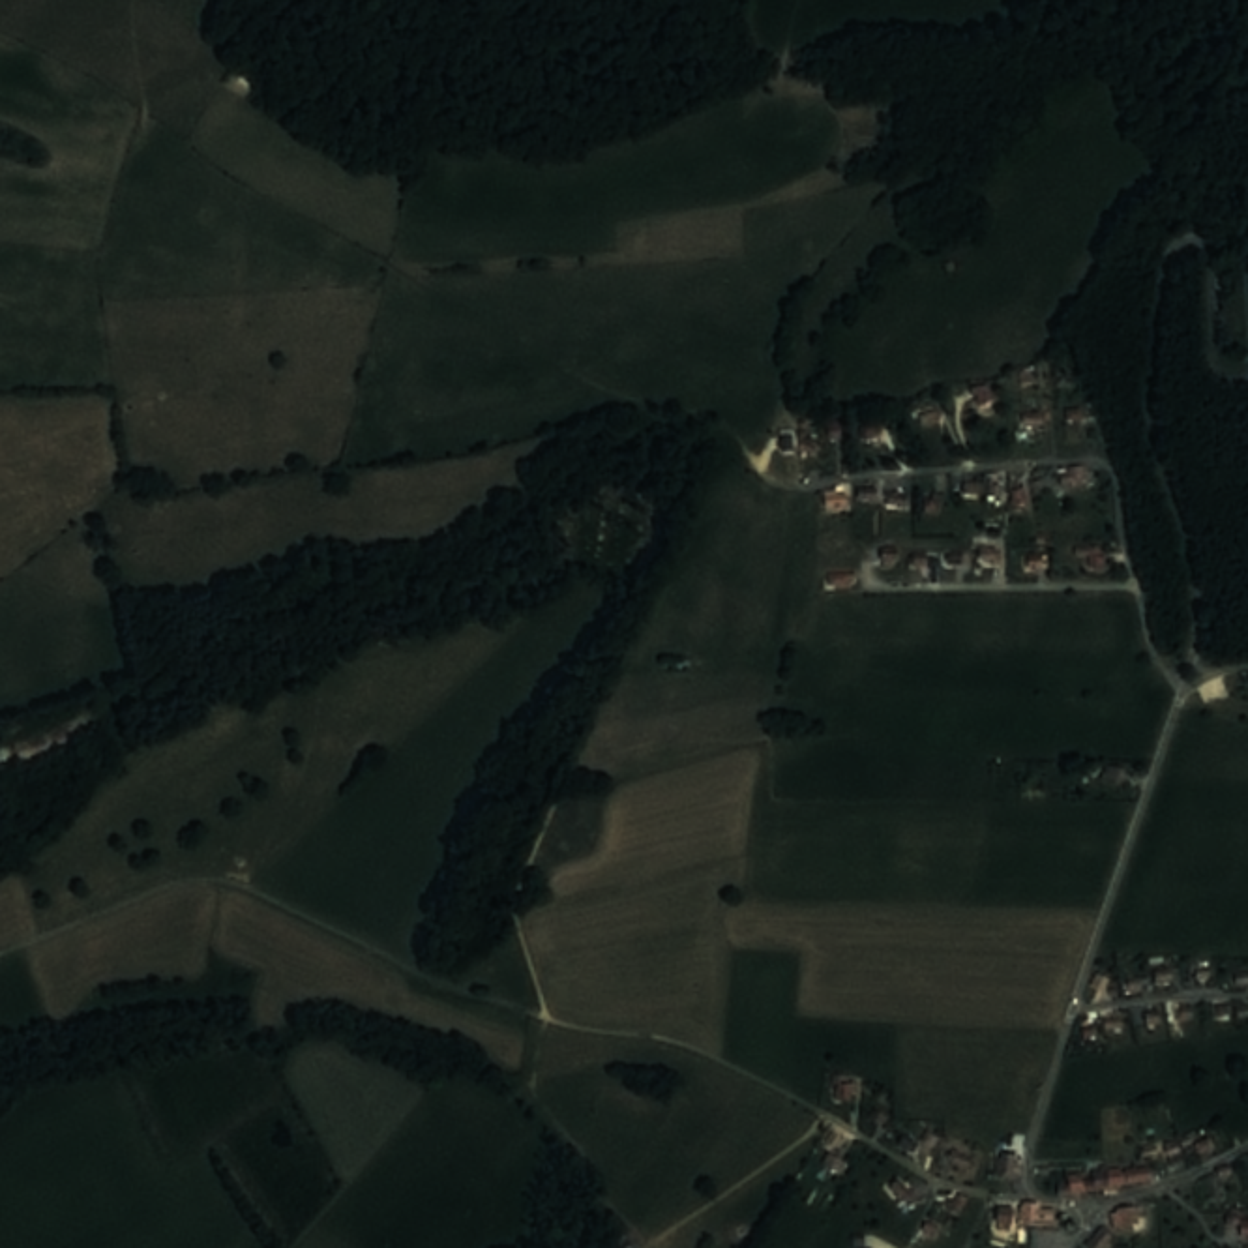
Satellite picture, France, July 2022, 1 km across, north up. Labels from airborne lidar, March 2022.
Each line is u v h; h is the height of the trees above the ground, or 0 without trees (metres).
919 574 0
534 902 17
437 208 0
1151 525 16
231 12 19
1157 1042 0
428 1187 0
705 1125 0
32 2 0
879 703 0
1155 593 13
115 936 0
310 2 25
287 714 0
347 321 0
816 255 0
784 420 0
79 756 20
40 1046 23
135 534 0
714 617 0
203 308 0
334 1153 0
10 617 0
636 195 0
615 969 0
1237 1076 15
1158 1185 0
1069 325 18
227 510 0
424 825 0
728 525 0
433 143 24
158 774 0
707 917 0
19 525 0
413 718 0
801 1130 0
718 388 0
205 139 0
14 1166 0
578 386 0
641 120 25
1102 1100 0
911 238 19
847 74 14
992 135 24
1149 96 24
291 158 0
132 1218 0
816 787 0
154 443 0
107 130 0
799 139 0
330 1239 0
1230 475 15
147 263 0
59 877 0
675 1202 0
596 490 24
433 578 28
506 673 0
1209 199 28
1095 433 7
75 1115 0
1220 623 21
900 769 0
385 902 0
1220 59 27
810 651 0
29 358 0
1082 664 0
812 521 0
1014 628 0
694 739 0
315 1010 19
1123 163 0
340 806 0
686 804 0
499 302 0
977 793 0
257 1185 0
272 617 26
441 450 0
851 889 0
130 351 0
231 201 0
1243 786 0
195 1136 0
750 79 18
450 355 0
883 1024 0
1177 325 18
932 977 0
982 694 0
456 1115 0
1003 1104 0
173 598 23
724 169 0
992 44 24
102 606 0
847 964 0
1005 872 0
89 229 0
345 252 0
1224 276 16
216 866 0
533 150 23
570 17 19
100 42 0
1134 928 0
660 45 24
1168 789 0
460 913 24
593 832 0
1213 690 0
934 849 0
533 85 29
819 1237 0
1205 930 0
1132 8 28
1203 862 0
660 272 0
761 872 0
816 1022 0
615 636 21
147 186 0
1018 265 0
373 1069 0
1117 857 0
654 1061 0
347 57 26
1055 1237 0
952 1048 0
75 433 0
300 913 0
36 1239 0
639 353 0
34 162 6
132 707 26
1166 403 22
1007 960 0
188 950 0
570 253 0
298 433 0
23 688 0
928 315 0
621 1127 0
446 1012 0
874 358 0
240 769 0
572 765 16
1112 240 20
